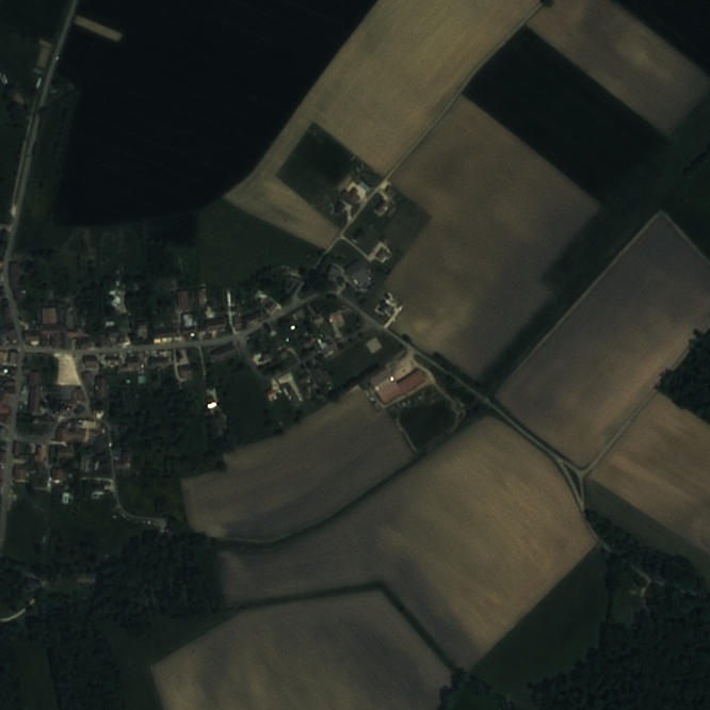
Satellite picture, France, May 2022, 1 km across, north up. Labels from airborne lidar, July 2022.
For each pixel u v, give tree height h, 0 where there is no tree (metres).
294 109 0
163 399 9
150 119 0
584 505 0
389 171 0
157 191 0
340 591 0
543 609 0
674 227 0
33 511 0
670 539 0
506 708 19
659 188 0
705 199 0
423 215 0
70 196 0
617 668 21
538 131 0
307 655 0
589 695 8
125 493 0
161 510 17
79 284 7
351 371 0
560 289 0
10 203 0
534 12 0
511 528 0
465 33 0
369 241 0
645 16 0
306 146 0
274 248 0
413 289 0
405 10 0
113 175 0
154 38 0
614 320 0
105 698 24
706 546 0
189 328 0
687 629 21
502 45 0
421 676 0
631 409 0
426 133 0
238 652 0
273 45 0
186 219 0
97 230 0
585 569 0
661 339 0
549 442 0
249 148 0
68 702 26
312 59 0
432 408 0
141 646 0
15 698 25
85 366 0
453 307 0
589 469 0
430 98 0
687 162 0
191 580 28
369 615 0
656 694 22
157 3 0
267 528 0
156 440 7
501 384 0
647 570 20
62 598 13
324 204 0
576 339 0
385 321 0
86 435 0
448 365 17
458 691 17
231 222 0
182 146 0
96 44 0
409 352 0
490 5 0
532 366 0
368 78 0
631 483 0
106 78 0
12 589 16
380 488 0
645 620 24
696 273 0
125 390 8
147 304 7
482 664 0
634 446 0
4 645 24
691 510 0
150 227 0
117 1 0
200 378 0
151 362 0
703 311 0
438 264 0
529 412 0
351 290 7
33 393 0
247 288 9
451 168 0
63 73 0
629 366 0
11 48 0
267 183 0
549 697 25
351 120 0
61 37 0
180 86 0
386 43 0
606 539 12
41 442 0
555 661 0
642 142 0
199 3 0
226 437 15
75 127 0
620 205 0
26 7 0
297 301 0
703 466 0
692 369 6
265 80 0
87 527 0
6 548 0
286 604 0
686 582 23
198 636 0
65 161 0
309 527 0
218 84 0
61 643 22
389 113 0
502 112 0
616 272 0
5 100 8
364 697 0
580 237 0
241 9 0
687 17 0
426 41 0
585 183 0
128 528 0
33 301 7
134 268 0
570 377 0
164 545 17
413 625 0
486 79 0
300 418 11
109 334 0
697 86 0
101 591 29
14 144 0
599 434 0
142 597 30
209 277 0
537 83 0
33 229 0
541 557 0
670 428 0
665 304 0
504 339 0
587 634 0
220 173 0
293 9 0
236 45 0
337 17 0
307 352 14
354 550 0
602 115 0
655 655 23
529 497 0
